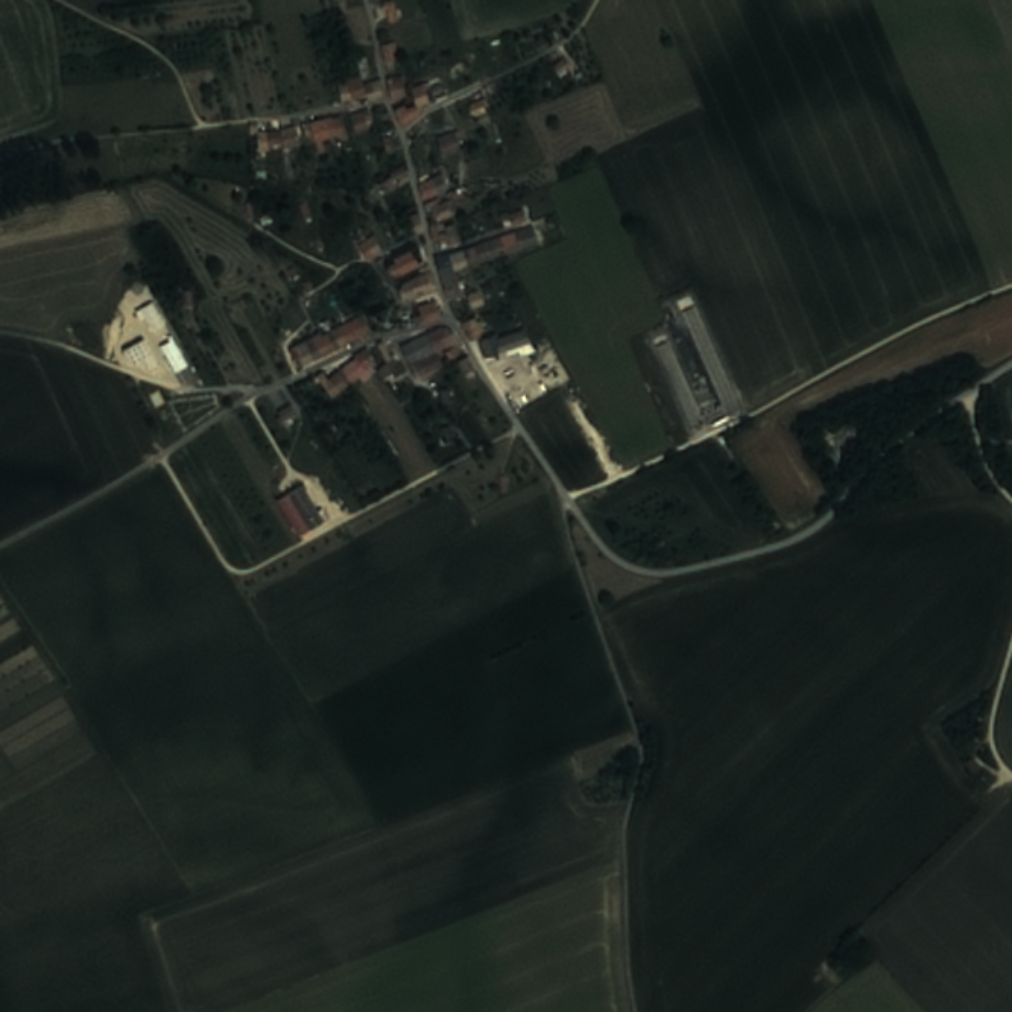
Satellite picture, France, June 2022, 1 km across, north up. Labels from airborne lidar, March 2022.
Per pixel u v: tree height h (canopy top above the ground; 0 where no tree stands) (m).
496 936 0
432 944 0
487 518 0
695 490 0
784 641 0
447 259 0
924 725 0
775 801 0
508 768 0
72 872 0
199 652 0
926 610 0
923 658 0
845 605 0
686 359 0
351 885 0
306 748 0
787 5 0
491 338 0
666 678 0
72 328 0
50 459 0
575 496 0
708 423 0
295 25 0
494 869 0
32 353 0
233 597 0
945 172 0
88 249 0
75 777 0
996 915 0
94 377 0
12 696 0
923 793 0
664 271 0
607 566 0
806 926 0
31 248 0
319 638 0
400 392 6
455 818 0
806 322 0
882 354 0
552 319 0
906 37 0
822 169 0
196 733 0
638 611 0
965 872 0
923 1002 0
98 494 0
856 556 0
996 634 0
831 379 0
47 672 0
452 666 0
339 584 0
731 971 0
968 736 8
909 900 0
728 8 0
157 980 0
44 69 0
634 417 0
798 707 0
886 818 0
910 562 0
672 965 0
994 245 0
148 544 0
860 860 0
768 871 0
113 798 0
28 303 0
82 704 0
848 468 15
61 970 0
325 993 0
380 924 0
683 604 0
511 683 0
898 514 0
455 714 0
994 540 0
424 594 0
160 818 0
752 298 0
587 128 0
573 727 0
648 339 0
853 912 0
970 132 0
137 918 0
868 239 0
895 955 0
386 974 0
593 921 0
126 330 0
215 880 0
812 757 0
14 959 0
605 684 0
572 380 0
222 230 0
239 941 0
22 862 0
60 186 27
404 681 0
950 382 15
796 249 0
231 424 0
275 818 0
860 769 0
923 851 0
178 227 0
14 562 0
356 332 0
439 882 0
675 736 0
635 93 0
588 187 0
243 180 0
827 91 0
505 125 0
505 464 0
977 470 12
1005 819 0
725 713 0
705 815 0
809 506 0
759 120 0
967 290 0
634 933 0
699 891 0
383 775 0
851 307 0
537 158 0
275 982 0
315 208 0
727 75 0
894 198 0
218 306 0
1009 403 0
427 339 0
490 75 0
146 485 0
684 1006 0
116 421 0
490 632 0
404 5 0
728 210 0
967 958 0
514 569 0
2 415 0
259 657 0
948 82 0
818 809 0
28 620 0
